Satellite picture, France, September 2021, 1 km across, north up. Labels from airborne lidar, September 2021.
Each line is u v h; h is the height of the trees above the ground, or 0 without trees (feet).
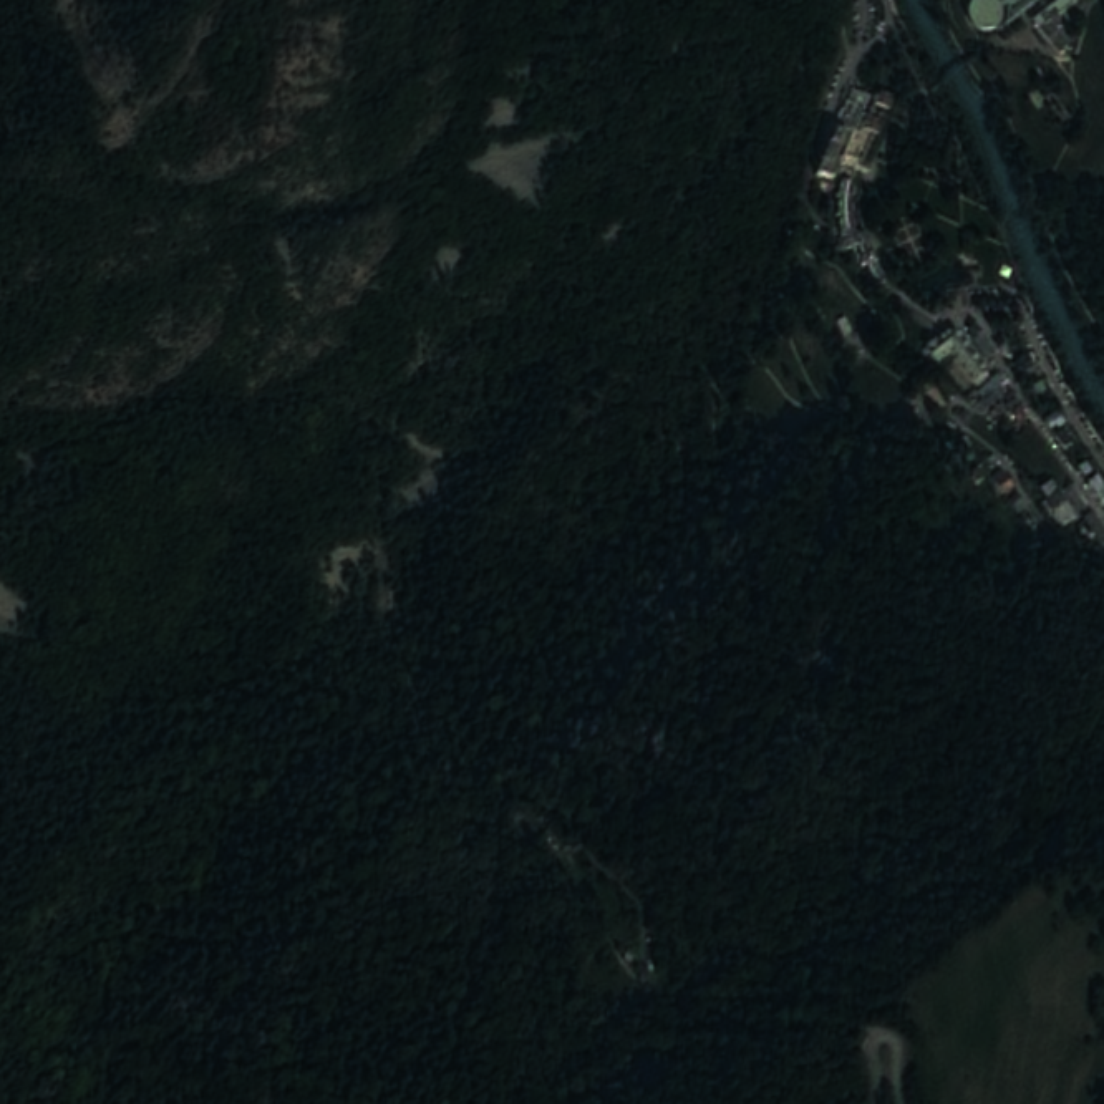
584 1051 49
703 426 73
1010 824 77
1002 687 95
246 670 103
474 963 62
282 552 58
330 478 95
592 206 56
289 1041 67
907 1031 30
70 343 26
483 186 44
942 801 60
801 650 84
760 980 87
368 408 37
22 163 36
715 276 90
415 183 67
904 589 78
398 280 55
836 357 66
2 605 0
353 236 22
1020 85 0
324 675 83
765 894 77
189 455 83
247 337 22
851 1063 70
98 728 65
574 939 71
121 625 55
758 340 64
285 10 38
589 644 64
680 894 52
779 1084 78
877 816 21
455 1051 66
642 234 76
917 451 67
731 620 81
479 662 71
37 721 68
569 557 64
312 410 82
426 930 89
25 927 83
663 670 72
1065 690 73
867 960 96
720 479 86
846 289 0
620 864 77
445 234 62
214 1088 86
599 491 79
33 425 67
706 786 83
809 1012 96
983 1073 0
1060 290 28
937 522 59
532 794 66
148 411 63
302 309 29
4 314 29
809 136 61
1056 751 94
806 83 59
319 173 28
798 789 89
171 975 111
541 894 61
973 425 0
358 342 52
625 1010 37
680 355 41
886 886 70
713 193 89
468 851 55
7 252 34
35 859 94
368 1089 109
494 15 86
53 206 64
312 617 54
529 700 83
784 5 66
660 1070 103
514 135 39
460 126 54
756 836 92
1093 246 68
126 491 64
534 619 86
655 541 56
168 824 87
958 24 0
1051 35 0
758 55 52
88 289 22
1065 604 55
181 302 28
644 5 76
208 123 22
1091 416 74
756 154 64
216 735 89
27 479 42
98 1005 66
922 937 71
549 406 86
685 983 39
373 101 47
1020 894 40
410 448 65
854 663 83
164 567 70
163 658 65
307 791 98
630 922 33
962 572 82
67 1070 88
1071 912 42
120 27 72
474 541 83
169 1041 72
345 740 90
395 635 68
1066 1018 0
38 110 36
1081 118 31
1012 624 71
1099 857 61
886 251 0
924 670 69
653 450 78
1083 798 118
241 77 50
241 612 76
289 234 39
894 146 34
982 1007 0
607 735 92
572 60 69
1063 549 68
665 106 34
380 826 70
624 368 78
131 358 33
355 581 64
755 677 86
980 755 76
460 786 77
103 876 59
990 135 31
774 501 85
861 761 101
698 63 61
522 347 64
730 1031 84
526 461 81
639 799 86
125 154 56
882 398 0
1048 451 0
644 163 37
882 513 75
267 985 90
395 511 30
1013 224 0
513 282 31
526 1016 72
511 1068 81
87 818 95
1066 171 0
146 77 30
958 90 0
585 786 90
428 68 41
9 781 84
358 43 38
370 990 97
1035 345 0
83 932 77
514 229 49
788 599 94
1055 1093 0
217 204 34
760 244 69
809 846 81
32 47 57
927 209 33
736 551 58
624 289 71
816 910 70
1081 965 0
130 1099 57
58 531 61
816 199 28
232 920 74
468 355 78
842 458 71
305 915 42
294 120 25
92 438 43
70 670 72
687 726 90
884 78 0
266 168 20
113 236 43
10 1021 83
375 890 61
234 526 66
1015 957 0
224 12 52
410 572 52
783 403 0
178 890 90
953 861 51
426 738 79
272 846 67
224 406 70
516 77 28
